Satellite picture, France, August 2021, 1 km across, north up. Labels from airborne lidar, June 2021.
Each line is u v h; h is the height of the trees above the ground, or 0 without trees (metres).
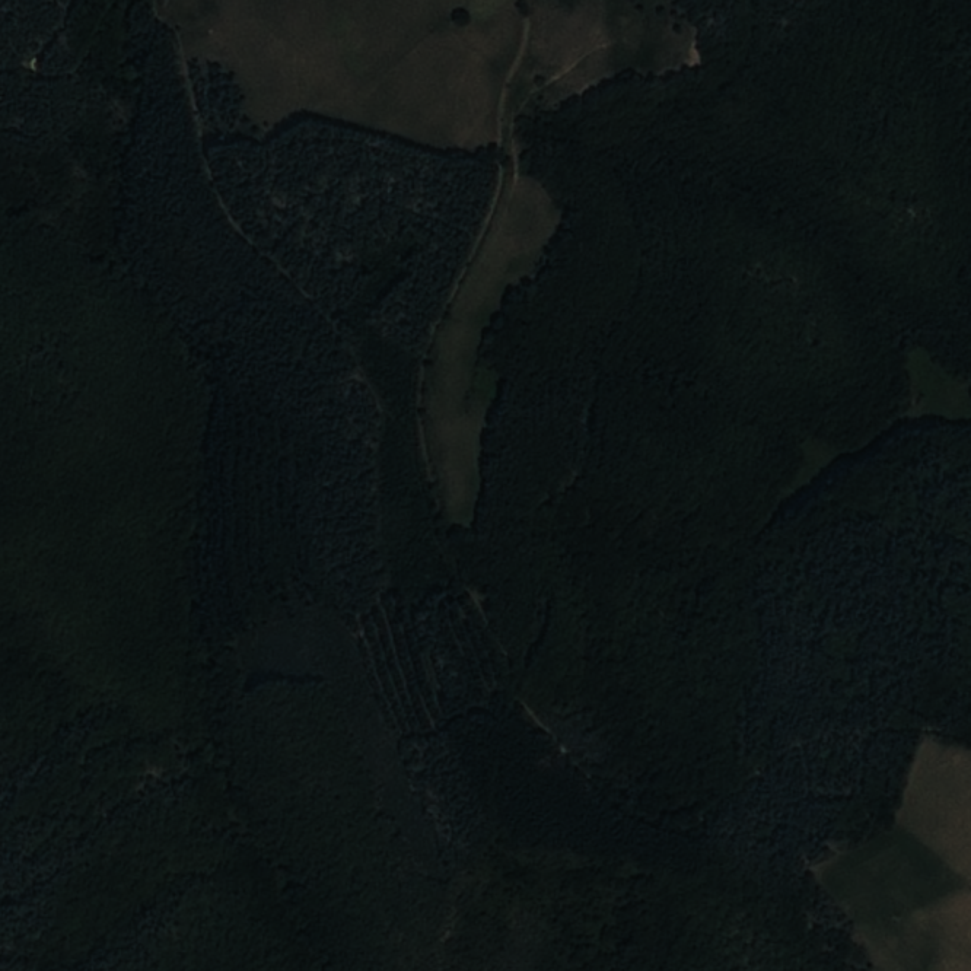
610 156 18
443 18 0
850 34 15
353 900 16
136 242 25
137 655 17
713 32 6
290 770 15
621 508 7
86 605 12
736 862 18
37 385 9
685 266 17
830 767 15
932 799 0
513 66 0
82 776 13
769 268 8
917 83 16
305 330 24
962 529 7
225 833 9
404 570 6
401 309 18
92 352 9
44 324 9
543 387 24
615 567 13
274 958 16
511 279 0
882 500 9
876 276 18
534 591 12
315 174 18
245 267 22
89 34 19
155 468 19
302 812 16
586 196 17
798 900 15
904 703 13
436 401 0
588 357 22
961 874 0
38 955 14
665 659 20
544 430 19
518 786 18
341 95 0
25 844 11
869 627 15
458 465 0
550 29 0
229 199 19
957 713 16
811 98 14
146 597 16
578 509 12
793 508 18
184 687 17
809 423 26
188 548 21
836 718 18
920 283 16
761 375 17
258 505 12
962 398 0
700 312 18
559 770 18
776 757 10
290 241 18
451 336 0
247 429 18
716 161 16
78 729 12
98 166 12
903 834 0
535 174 9
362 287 18
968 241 14
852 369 15
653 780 19
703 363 22
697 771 15
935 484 14
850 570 20
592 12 0
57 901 10
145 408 12
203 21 0
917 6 18
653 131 20
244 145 19
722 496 26
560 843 18
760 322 13
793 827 16
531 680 15
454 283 16
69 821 15
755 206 20
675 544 13
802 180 17
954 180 17
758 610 13
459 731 20
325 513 16
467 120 0
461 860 15
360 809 15
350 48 0
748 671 16
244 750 18
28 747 15
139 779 8
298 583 15
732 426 18
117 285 15
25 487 18
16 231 18
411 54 0
